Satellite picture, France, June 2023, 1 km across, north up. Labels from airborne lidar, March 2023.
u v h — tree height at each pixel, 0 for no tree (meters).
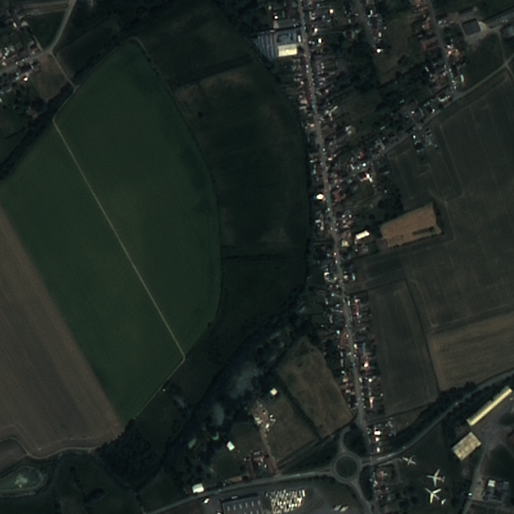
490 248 0
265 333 10
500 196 0
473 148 0
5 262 0
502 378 0
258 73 0
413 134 0
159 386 0
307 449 0
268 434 0
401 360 0
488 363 0
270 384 14
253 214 0
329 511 0
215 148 0
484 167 0
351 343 0
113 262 0
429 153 0
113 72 0
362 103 0
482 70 0
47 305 0
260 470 13
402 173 0
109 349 0
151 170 0
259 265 0
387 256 0
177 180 0
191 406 9
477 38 0
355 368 0
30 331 0
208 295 0
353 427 15
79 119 0
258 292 0
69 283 0
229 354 0
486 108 0
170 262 0
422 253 0
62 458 0
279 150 0
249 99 0
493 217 0
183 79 0
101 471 0
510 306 0
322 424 0
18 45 0
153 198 0
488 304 0
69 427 0
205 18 0
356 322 0
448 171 0
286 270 0
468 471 0
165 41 0
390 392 0
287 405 0
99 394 0
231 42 0
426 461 0
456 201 0
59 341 0
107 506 0
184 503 0
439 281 0
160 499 0
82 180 0
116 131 0
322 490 0
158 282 0
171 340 0
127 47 0
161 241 0
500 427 0
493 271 0
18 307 0
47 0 0
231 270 0
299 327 11
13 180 0
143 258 0
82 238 0
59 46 0
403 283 0
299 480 0
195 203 0
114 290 0
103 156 0
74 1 0
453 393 13
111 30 0
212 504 0
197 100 0
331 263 0
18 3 0
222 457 0
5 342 0
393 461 0
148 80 0
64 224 0
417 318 0
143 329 0
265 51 0
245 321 0
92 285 0
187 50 0
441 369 0
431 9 0
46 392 0
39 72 0
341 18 0
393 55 0
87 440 0
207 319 0
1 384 0
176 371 0
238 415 22
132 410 0
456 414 6
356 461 0
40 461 0
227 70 0
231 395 0
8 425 0
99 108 0
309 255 13
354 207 0
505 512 0
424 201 0
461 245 0
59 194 0
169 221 0
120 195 0
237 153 0
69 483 0
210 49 0
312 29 0
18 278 0
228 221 0
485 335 0
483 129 0
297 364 0
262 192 0
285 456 0
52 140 0
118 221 0
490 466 0
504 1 0
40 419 0
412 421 0
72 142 0
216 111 0
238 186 0
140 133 0
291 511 0
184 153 0
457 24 0
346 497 0
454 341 0
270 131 0
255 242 0
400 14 0
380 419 0
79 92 0
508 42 9
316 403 0
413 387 0
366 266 0
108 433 0
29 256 0
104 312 0
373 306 0
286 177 0
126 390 0
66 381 0
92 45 0
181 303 0
